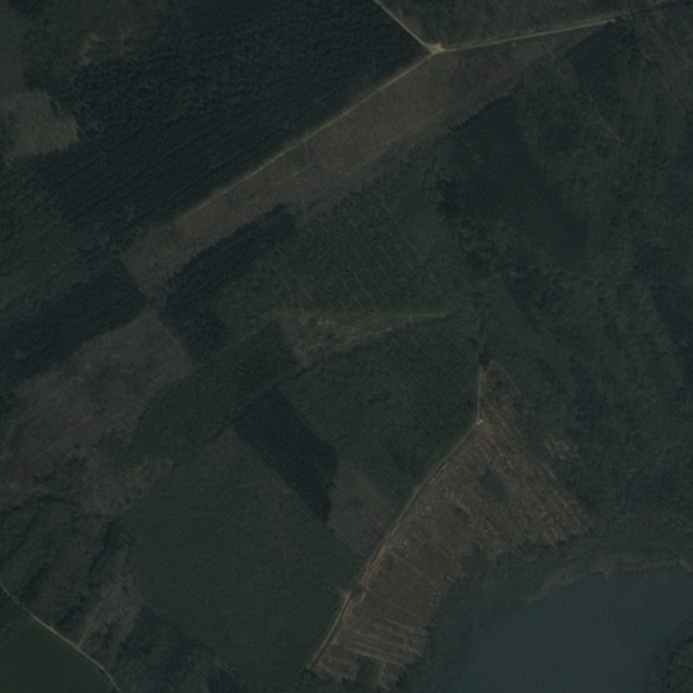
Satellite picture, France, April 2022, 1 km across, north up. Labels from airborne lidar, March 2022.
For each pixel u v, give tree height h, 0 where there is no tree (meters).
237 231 0
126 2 16
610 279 21
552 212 19
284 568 12
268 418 16
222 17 20
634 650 0
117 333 16
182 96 14
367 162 0
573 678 0
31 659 0
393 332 0
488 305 14
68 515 23
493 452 21
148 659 14
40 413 0
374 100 0
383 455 15
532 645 0
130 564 18
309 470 19
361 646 13
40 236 21
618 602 0
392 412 23
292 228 21
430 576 22
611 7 18
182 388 7
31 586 14
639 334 20
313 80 23
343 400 19
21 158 0
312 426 15
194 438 9
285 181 0
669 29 22
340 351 0
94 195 18
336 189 0
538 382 24
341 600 10
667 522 12
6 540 10
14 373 14
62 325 16
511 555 19
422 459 21
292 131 13
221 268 22
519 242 20
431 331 19
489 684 0
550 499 21
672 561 0
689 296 19
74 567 20
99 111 26
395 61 22
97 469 0
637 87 16
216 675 19
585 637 0
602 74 17
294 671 10
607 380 19
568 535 20
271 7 22
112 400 0
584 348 19
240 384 7
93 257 17
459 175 19
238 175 16
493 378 23
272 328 7
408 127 0
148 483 0
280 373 10
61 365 14
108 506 0
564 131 16
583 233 20
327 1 23
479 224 16
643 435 17
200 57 23
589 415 21
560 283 12
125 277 14
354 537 0
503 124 18
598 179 16
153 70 21
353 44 23
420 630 17
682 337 22
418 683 12
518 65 0
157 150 16
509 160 19
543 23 15
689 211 20
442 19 19
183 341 16
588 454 16
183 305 21
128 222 16
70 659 0
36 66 16
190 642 16
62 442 0
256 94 22
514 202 20
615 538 6
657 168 14
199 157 16
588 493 19
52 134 0
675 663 18
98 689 0
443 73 0
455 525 20
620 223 25
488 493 16
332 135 0
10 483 0
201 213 0
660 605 0
